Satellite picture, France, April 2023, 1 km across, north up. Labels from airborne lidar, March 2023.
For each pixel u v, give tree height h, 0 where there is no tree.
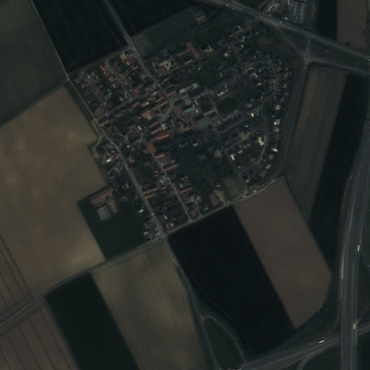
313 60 0
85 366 0
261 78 5
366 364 0
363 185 0
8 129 0
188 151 0
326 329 0
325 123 0
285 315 0
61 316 0
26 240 0
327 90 0
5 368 0
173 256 0
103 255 0
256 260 0
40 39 0
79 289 0
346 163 0
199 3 0
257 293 0
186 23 0
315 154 0
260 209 0
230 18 18
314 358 0
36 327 0
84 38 0
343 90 0
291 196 0
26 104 0
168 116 0
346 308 0
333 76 0
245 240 0
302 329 10
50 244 0
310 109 0
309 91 0
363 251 0
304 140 0
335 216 0
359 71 0
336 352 0
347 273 0
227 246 0
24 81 0
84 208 0
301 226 0
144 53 0
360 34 0
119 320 0
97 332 0
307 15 0
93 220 0
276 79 0
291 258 0
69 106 0
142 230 0
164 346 0
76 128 0
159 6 0
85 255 0
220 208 0
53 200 0
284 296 0
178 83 0
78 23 0
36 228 0
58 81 0
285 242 0
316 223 0
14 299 0
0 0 0
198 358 0
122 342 0
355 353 0
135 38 0
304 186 0
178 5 0
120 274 0
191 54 0
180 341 0
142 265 0
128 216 0
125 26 0
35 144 0
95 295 0
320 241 0
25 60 0
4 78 0
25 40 0
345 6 0
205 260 0
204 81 0
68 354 0
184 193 0
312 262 0
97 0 0
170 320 0
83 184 0
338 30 0
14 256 0
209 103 13
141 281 0
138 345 0
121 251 0
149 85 0
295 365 0
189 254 0
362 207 0
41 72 0
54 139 0
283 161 0
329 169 0
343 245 0
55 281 0
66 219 0
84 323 0
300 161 0
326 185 0
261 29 7
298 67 0
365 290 7
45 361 0
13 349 0
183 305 0
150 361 0
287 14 9
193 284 0
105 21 0
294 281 0
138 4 0
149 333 0
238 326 0
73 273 0
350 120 0
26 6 0
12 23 0
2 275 0
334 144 0
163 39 0
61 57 0
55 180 0
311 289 0
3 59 0
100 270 0
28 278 0
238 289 0
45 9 0
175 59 0
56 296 0
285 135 0
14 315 0
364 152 0
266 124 0
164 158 0
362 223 0
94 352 0
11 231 0
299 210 0
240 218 0
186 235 0
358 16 0
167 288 0
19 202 0
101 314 0
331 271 0
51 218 0
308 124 0
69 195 0
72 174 0
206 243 0
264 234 0
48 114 0
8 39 0
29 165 0
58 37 0
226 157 6
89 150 0
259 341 0
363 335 0
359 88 0
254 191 0
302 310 0
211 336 0
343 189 0
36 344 0
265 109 0
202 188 0
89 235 0
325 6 0
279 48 0
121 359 0
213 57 0
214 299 0
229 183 0
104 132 0
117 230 0
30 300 0
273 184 0
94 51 0
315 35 0
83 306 0
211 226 0
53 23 0
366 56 0
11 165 0
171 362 0
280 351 0
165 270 0
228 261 0
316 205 0
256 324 0
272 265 0
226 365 0
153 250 0
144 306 0
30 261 0
